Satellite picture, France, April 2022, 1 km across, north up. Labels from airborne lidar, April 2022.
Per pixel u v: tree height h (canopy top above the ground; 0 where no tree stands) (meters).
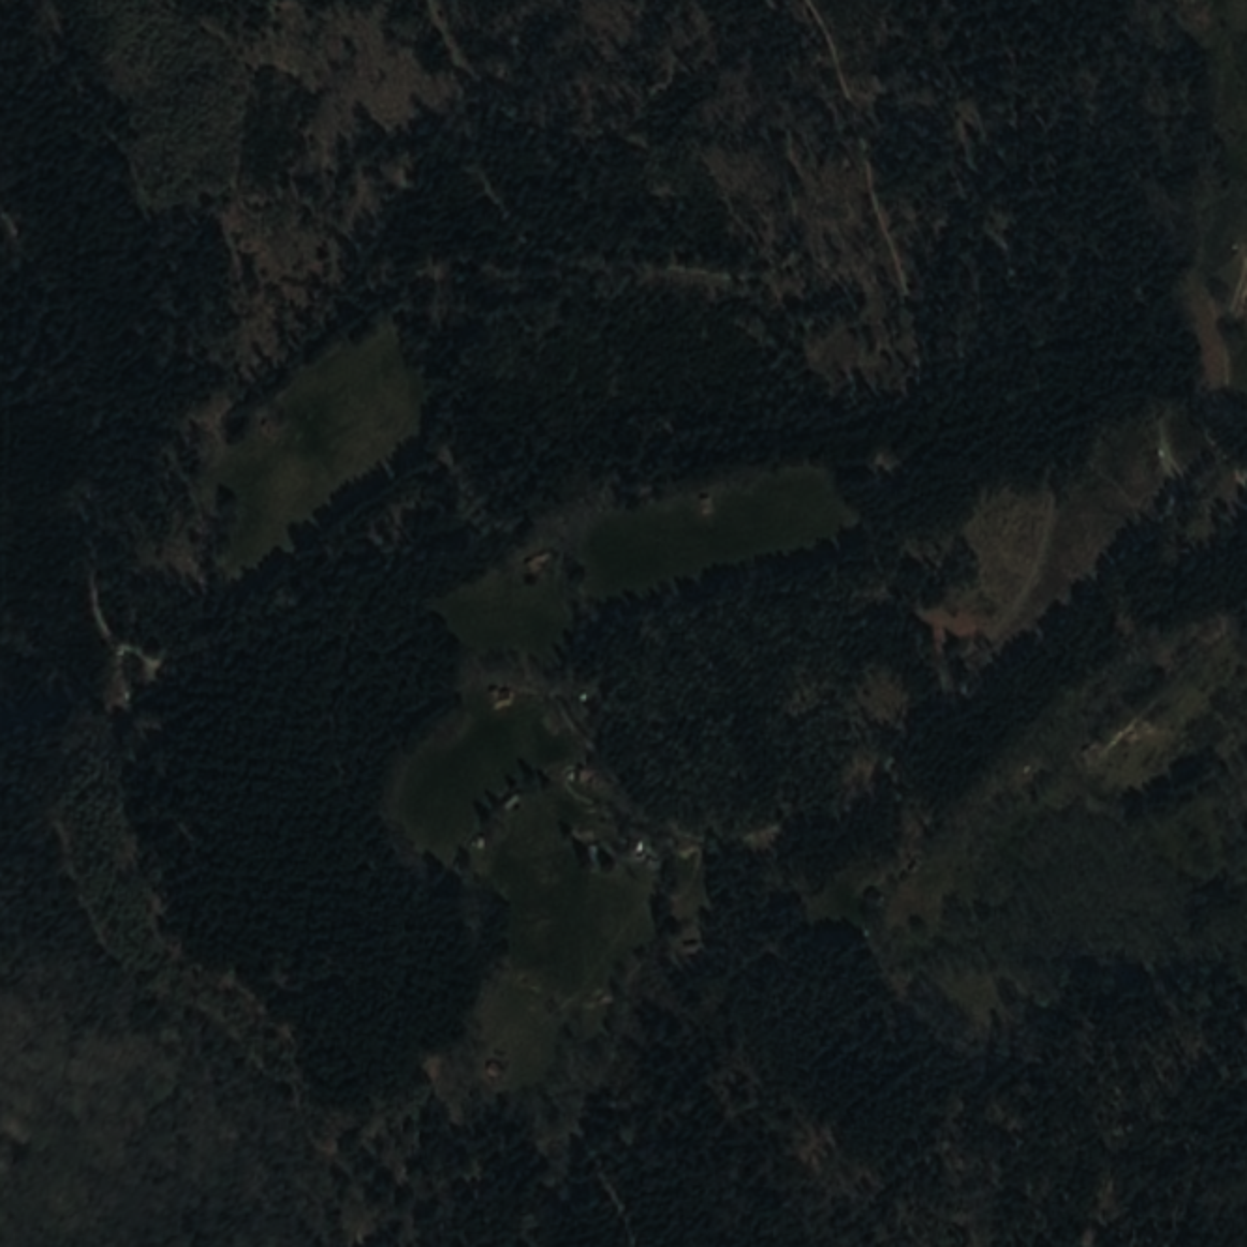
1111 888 25
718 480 16
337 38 8
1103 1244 27
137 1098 24
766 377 13
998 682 27
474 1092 22
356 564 29
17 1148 23
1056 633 28
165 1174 22
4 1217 20
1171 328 30
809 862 32
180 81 12
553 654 0
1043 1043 25
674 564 0
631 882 20
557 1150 19
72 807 10
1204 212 21
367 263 30
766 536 0
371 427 0
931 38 9
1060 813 8
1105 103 25
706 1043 8
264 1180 18
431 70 14
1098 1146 30
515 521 30
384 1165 9
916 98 29
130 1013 15
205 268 20
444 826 0
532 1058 0
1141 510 0
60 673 15
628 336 6
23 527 9
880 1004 18
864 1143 22
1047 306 30
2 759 26
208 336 20
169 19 9
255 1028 6
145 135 11
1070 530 0
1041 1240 15
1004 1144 32
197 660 15
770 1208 27
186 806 26
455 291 9
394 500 16
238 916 27
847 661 27
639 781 20
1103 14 32
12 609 10
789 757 24
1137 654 20
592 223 18
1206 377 24
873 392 23
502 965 24
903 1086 25
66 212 27
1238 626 22
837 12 8
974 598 0
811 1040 24
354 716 22
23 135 25
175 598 26
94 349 25
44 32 11
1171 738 0
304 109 7
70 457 15
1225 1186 33
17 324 21
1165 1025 29
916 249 7
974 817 23
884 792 26
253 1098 17
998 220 29
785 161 19
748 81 12
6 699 11
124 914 18
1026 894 21
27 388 29
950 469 27
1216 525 0
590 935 0
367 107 16
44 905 22
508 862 0
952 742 30
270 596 33
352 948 27
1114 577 31
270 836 27
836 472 17
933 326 41
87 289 25
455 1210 27
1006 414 29
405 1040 31
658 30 7
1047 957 22
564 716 24
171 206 9
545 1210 33
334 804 26
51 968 23
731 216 6
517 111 26
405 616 28
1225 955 22
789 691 23
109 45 9
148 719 18
